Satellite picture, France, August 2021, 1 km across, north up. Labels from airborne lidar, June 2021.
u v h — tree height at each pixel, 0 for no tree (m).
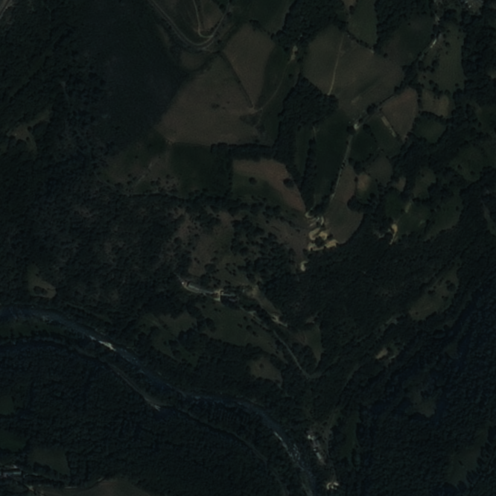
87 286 11
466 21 27
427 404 0
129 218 11
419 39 0
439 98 5
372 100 0
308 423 7
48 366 19
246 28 0
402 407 10
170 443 20
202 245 0
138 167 0
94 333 0
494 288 20
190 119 0
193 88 0
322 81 0
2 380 26
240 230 23
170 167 0
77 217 11
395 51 0
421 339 22
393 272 22
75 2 18
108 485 0
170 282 13
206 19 0
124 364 25
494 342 20
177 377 24
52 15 10
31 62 14
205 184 0
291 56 8
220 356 6
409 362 9
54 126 22
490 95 21
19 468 9
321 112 19
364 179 0
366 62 0
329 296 17
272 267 21
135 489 0
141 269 9
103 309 6
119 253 11
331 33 0
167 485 20
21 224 27
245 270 13
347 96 0
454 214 0
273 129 0
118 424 32
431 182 0
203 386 16
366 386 9
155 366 20
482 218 12
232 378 16
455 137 20
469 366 18
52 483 10
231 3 11
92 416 24
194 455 23
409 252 12
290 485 16
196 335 15
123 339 18
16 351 20
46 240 17
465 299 19
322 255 12
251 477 17
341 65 0
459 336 11
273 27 0
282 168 0
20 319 30
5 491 11
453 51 0
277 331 18
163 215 10
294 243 0
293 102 20
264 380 12
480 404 19
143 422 26
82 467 21
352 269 14
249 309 12
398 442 24
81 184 8
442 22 8
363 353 25
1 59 16
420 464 17
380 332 14
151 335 8
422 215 0
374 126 0
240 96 0
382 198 18
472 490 11
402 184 0
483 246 9
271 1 0
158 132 0
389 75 0
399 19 23
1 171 9
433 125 0
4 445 0
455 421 23
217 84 0
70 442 17
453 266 9
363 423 17
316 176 10
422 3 31
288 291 15
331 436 10
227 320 0
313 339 0
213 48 0
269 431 12
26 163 20
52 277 11
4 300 15
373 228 17
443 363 17
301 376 10
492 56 24
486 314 22
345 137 0
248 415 27
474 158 0
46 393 22
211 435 21
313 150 15
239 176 0
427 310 0
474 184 13
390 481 18
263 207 16
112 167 0
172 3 0
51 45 20
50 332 0
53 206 15
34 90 19
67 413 23
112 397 25
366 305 16
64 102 15
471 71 23
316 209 12
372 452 21
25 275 9
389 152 0
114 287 8
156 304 22
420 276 11
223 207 16
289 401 18
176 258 7
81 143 14
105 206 12
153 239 15
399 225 0
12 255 23
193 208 15
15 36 18
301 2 19
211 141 0
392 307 17
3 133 9
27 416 20
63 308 11
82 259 15
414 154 23
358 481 11
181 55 0
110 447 24
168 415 22
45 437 17
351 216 0
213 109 0
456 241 11
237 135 0
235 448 23
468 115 14
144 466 26
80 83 19
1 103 20
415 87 13
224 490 27
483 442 0
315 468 6
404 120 0
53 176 17
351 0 0
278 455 12
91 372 12
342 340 9
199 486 26
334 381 18
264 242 18
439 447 22
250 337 0
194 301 13
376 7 14
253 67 0
